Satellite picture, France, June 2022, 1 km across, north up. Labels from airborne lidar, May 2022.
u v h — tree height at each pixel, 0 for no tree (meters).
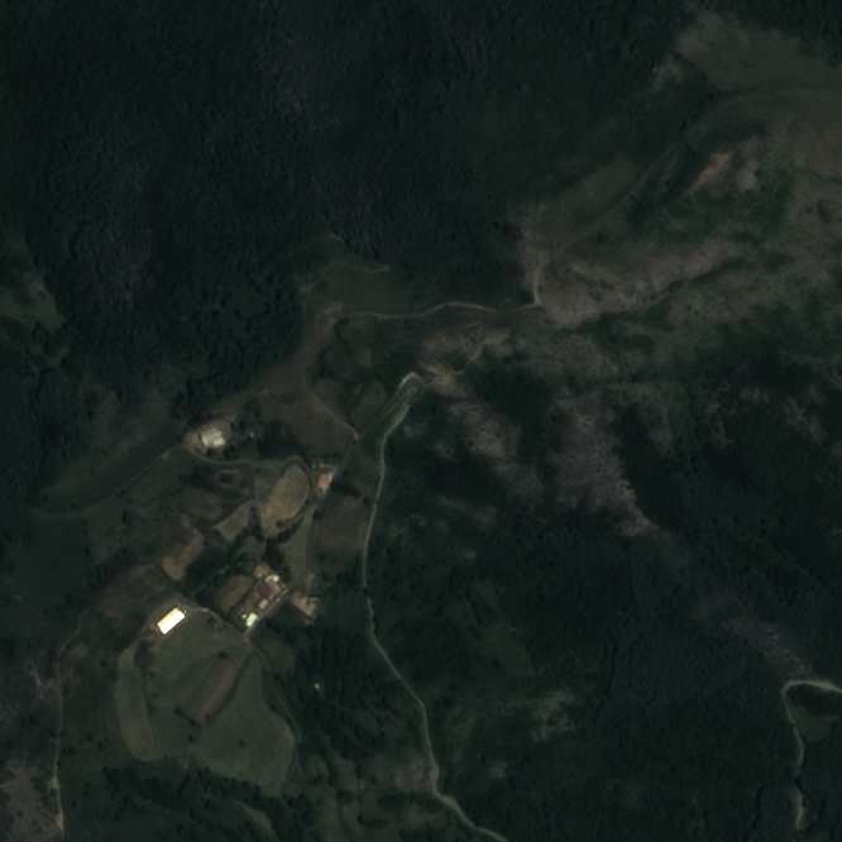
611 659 17
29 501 16
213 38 13
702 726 15
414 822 0
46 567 0
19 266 21
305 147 17
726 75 0
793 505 15
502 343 0
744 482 22
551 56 7
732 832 11
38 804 0
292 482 0
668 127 0
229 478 6
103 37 10
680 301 0
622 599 23
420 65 13
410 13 12
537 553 18
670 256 0
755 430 10
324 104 15
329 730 12
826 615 12
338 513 0
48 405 32
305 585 0
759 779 11
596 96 6
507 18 15
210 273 25
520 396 11
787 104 0
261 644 0
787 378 11
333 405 0
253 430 0
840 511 18
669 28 9
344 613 0
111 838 0
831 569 15
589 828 15
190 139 16
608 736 7
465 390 0
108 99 10
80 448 28
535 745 13
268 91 7
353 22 17
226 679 0
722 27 0
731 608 8
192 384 16
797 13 12
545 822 7
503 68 6
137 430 0
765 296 0
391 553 11
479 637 9
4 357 13
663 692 30
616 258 0
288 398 0
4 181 18
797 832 14
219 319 19
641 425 16
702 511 33
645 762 15
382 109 22
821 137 0
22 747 0
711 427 10
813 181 0
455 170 9
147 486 0
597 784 18
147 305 17
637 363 0
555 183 0
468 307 0
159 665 0
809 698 18
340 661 14
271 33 6
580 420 0
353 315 0
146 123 14
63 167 16
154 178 12
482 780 0
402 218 23
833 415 17
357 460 0
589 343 0
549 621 18
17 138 23
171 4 19
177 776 0
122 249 18
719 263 0
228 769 0
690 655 28
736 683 26
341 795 10
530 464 13
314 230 11
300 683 17
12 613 0
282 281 10
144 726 0
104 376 9
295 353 0
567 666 10
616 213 0
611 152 0
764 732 26
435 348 0
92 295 21
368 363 0
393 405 0
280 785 0
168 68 14
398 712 12
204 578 12
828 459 12
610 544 36
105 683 0
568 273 0
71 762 0
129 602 0
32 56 11
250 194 18
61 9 21
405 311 0
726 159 0
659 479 19
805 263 0
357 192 22
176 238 20
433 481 10
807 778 18
